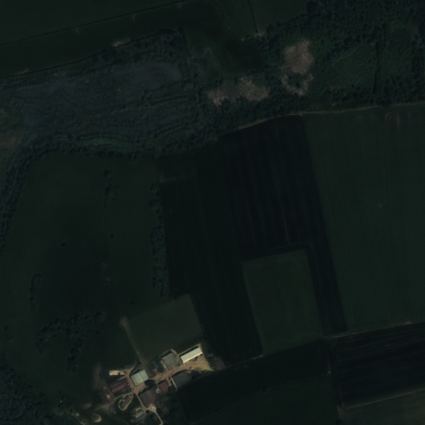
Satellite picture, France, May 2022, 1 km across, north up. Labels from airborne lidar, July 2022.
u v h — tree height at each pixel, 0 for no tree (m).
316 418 0
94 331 0
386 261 0
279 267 0
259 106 15
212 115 7
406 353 0
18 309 0
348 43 22
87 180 0
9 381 15
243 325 0
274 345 0
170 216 0
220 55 0
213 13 0
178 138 6
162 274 18
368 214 0
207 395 0
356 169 0
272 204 0
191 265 0
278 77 6
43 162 0
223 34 0
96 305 0
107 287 0
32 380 0
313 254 0
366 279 0
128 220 0
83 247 0
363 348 0
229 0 0
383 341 0
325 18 37
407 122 0
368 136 0
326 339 0
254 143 0
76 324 15
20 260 0
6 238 16
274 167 0
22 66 0
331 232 0
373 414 0
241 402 0
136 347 0
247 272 0
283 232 0
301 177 0
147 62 0
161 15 0
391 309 0
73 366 7
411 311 0
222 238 0
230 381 0
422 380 0
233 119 5
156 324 0
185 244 0
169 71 0
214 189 0
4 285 0
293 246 0
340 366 0
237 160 0
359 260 0
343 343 0
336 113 0
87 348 0
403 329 0
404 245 0
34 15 0
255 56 0
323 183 0
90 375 0
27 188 0
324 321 0
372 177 0
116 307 0
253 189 0
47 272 0
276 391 0
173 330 0
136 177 0
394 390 0
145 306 0
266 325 0
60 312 0
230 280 0
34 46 0
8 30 0
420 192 0
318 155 0
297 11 0
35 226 0
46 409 19
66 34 0
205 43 0
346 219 0
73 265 0
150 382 10
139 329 0
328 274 0
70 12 0
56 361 0
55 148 7
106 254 0
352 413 0
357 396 0
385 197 0
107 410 0
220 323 0
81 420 0
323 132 0
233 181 0
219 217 0
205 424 0
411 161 0
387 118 0
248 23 0
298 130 0
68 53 0
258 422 0
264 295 0
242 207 0
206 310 0
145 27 0
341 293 0
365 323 0
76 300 0
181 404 0
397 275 0
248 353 0
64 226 0
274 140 0
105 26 0
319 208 0
